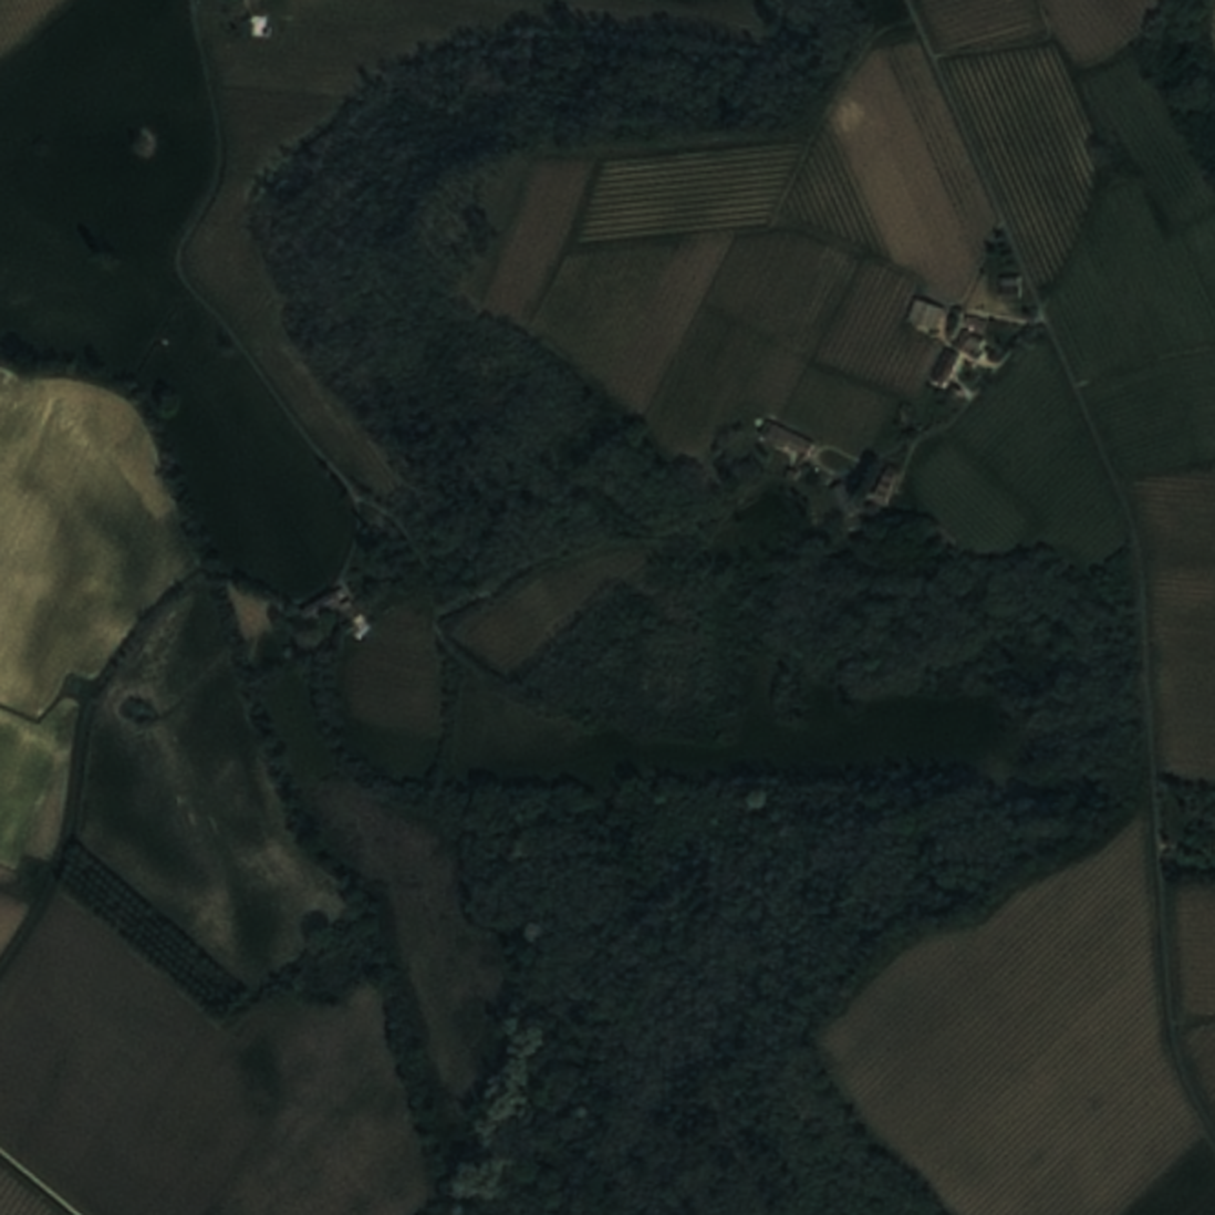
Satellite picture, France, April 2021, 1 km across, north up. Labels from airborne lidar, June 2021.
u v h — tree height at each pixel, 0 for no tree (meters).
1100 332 0
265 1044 0
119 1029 0
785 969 15
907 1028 0
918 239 0
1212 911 0
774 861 12
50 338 0
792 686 14
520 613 0
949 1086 0
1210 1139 0
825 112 0
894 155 0
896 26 0
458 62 12
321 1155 0
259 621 0
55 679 0
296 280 12
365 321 10
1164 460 0
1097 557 0
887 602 26
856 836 24
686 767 0
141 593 0
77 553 0
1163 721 0
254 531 0
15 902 0
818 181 0
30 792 0
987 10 0
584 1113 19
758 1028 13
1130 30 0
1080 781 7
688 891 24
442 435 18
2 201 0
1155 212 0
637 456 20
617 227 0
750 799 18
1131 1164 0
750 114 13
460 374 7
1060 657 18
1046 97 0
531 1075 28
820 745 0
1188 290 0
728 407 0
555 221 0
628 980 26
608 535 20
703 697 10
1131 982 0
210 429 0
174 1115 0
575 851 23
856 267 0
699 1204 17
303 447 0
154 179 0
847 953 20
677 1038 19
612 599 13
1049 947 0
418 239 12
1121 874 0
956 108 0
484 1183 29
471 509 16
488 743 0
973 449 0
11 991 0
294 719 0
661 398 0
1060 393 0
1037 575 24
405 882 0
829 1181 17
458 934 0
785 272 0
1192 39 19
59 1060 0
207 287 0
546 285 0
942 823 21
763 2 0
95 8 0
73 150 0
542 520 17
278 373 0
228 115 0
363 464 0
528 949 22
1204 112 11
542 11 0
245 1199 0
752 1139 20
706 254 0
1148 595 0
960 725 0
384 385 6
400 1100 0
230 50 0
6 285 0
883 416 0
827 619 25
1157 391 0
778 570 19
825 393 0
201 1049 0
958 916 15
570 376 17
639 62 19
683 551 9
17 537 0
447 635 11
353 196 10
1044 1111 0
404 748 0
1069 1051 0
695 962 19
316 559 0
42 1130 0
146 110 0
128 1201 0
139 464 0
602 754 0
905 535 24
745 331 0
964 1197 0
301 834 16
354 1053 0
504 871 21
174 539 0
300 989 9
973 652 23
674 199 0
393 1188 0
